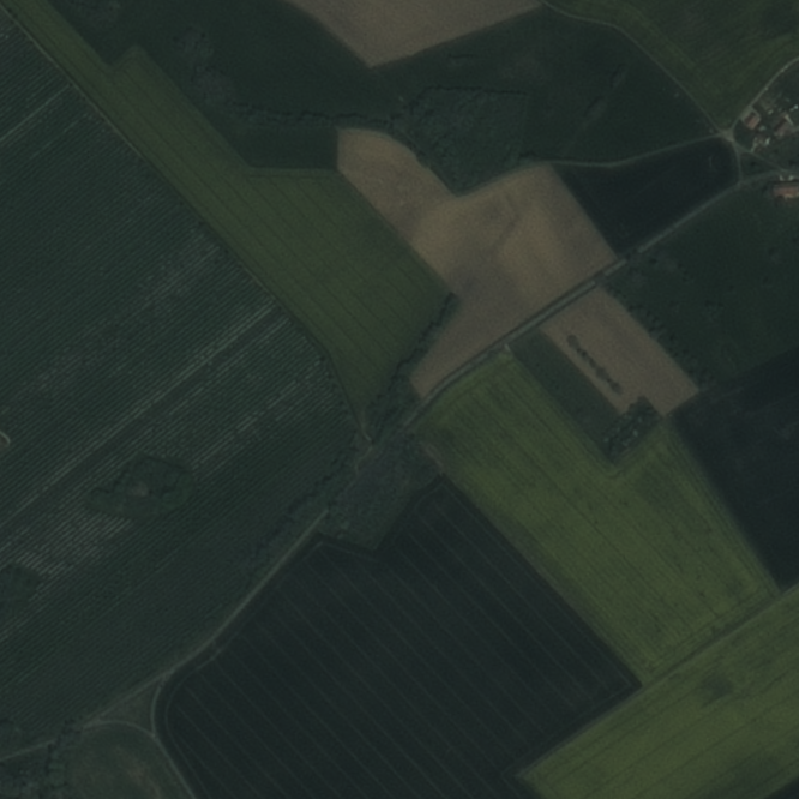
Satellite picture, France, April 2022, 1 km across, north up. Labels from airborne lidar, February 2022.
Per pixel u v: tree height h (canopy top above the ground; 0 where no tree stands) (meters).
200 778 0
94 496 7
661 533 0
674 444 0
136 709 0
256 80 0
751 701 0
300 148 0
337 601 0
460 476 0
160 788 0
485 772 0
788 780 0
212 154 0
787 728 0
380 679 0
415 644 0
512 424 0
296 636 0
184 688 0
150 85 0
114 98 0
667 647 0
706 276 0
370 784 0
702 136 0
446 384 0
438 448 0
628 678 0
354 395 0
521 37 0
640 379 0
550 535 0
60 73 7
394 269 0
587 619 0
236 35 0
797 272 0
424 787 0
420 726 0
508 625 0
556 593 0
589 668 0
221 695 0
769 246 0
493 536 0
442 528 0
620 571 0
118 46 0
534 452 0
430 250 0
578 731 0
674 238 0
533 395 0
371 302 0
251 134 0
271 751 0
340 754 0
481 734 0
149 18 0
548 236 0
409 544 0
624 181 0
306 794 0
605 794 0
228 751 0
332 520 15
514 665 0
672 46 0
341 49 0
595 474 0
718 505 0
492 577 0
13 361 5
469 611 0
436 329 11
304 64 0
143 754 0
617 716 0
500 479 0
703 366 0
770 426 0
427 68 0
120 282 6
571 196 0
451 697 0
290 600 0
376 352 0
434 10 0
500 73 0
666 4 0
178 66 0
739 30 0
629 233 0
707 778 0
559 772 0
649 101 0
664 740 0
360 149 0
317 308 0
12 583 7
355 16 0
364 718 0
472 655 0
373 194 0
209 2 0
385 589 0
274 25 0
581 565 0
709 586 0
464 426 0
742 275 0
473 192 0
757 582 0
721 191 0
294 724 0
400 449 9
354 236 0
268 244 0
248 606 0
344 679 0
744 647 0
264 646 0
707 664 0
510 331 0
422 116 16
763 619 0
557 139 0
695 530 0
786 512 0
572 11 0
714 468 0
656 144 0
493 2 0
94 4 7
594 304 0
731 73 0
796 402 0
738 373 0
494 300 0
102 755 0
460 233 0
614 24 0
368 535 19
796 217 0
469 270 0
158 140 0
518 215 0
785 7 0
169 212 6
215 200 0
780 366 0
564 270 0
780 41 0
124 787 0
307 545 0
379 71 0
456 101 6
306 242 0
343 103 0
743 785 0
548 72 0
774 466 0
